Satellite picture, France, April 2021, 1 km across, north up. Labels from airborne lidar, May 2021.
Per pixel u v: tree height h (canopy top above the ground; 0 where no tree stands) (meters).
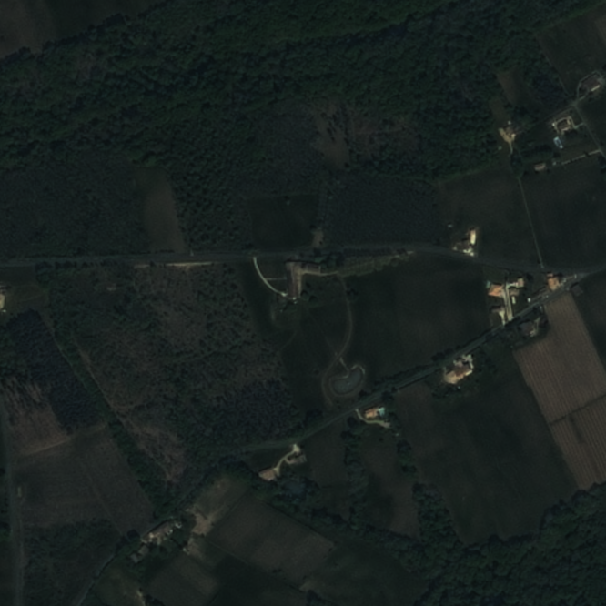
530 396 0
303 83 21
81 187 15
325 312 0
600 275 0
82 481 0
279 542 0
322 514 13
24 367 11
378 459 0
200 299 10
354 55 22
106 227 20
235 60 26
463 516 0
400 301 0
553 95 22
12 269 0
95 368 6
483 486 0
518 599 29
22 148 8
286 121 15
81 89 23
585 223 0
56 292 17
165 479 13
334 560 0
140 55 25
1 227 23
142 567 14
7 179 17
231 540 0
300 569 0
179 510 17
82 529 12
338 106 8
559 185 0
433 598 17
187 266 0
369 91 13
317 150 13
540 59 14
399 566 0
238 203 9
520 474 0
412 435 0
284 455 0
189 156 7
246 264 0
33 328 19
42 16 0
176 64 25
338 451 0
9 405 14
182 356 10
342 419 0
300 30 25
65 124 23
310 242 0
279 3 26
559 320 0
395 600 0
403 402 0
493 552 21
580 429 0
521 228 0
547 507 0
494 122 15
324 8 29
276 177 15
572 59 0
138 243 14
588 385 0
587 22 0
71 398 18
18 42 0
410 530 0
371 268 16
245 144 12
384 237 18
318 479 0
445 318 0
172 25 15
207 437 22
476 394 0
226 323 12
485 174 0
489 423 0
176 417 19
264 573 0
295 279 0
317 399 0
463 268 0
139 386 9
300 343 0
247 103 16
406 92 15
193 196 10
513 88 0
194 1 16
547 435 0
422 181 16
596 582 29
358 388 0
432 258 0
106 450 0
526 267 0
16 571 0
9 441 0
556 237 0
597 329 0
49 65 20
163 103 21
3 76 15
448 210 0
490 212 0
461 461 0
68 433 16
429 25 21
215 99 24
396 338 0
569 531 21
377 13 20
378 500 0
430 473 0
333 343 0
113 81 24
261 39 22
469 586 29
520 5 27
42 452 0
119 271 16
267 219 0
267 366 9
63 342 19
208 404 17
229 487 0
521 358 0
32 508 0
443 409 0
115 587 0
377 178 17
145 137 12
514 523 0
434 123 23
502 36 24
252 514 0
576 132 10
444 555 21
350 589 0
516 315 0
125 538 0
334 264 12
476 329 0
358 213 17
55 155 9
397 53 27
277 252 0
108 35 24
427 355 0
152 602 13
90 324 10
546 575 20
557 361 0
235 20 23
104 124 9
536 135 0
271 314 0
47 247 11
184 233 9
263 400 17
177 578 0
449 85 22
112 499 0
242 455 19
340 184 9
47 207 20
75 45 15
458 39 27
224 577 0
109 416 19
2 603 0
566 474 0
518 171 19
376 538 19
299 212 0
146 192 0
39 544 12
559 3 17
